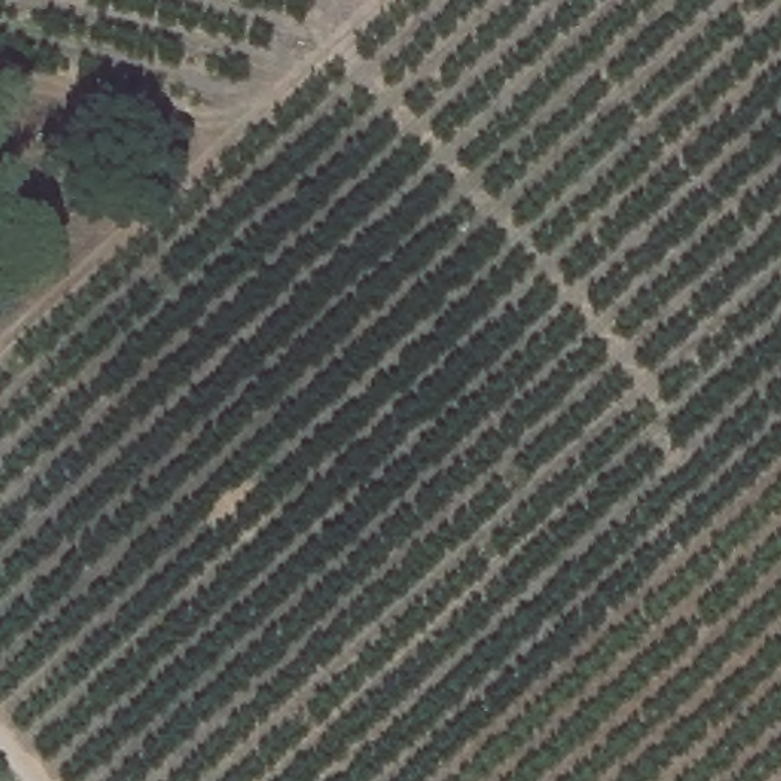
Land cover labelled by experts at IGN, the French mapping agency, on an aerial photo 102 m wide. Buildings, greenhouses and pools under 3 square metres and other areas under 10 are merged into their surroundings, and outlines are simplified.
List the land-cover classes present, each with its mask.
<instances>
[{"label":"deciduous trees","instance_id":"1","mask_svg":"<svg viewBox=\"0 0 781 781\"><path fill-rule=\"evenodd\" d=\"M314 0H0V320H9L27 296H37L46 278L58 281L61 275H67L70 214H82L88 220H113L119 226L131 220L146 223V232L134 235L107 262H101L88 284L67 296L49 320L27 326L24 336L15 342L12 354L0 363V720L12 723L21 744L37 750L46 769L61 781H781V0H394L357 34V52L363 58H372L384 70L387 85L378 95H372L366 85L345 73L342 58H333L320 73L308 76L284 104L275 107L272 119L247 125L238 143L226 146L217 162L204 168L201 177H195L186 171V162L195 122L192 116L174 107V101L189 98L192 104H201V92L183 82L159 79V73L137 67L134 61L146 55L171 64H207V70H217L226 79H247V58L253 55V49L272 43V12L281 9L293 18H305Z\"/></svg>","mask_w":781,"mask_h":781},{"label":"pervious surface","instance_id":"2","mask_svg":"<svg viewBox=\"0 0 781 781\"><path fill-rule=\"evenodd\" d=\"M394 0H314L305 18H293L281 9L272 12V43L253 49V55L247 58V79H226L217 70H207V64H171L146 55L134 61L137 67L159 73V79L183 82L201 92V104H192L189 98L174 101V107L192 116L195 122L186 162V171L195 177H201L204 168L217 162L226 146L238 143L247 125L272 119L275 107L284 104L308 76L320 73L333 58H342L345 73L366 85L372 95H378L387 85L384 70L372 58H363L357 52V34ZM146 232V223L131 220L119 226L113 220H88L82 214H70L67 275H61L58 281L46 278L37 296H27L9 320H0V363L12 354L15 342L24 336L27 326L49 320L67 296L88 284L101 262H107L134 235ZM0 781H61L46 769L37 750L21 744L12 723L0 720Z\"/></svg>","mask_w":781,"mask_h":781}]
</instances>
